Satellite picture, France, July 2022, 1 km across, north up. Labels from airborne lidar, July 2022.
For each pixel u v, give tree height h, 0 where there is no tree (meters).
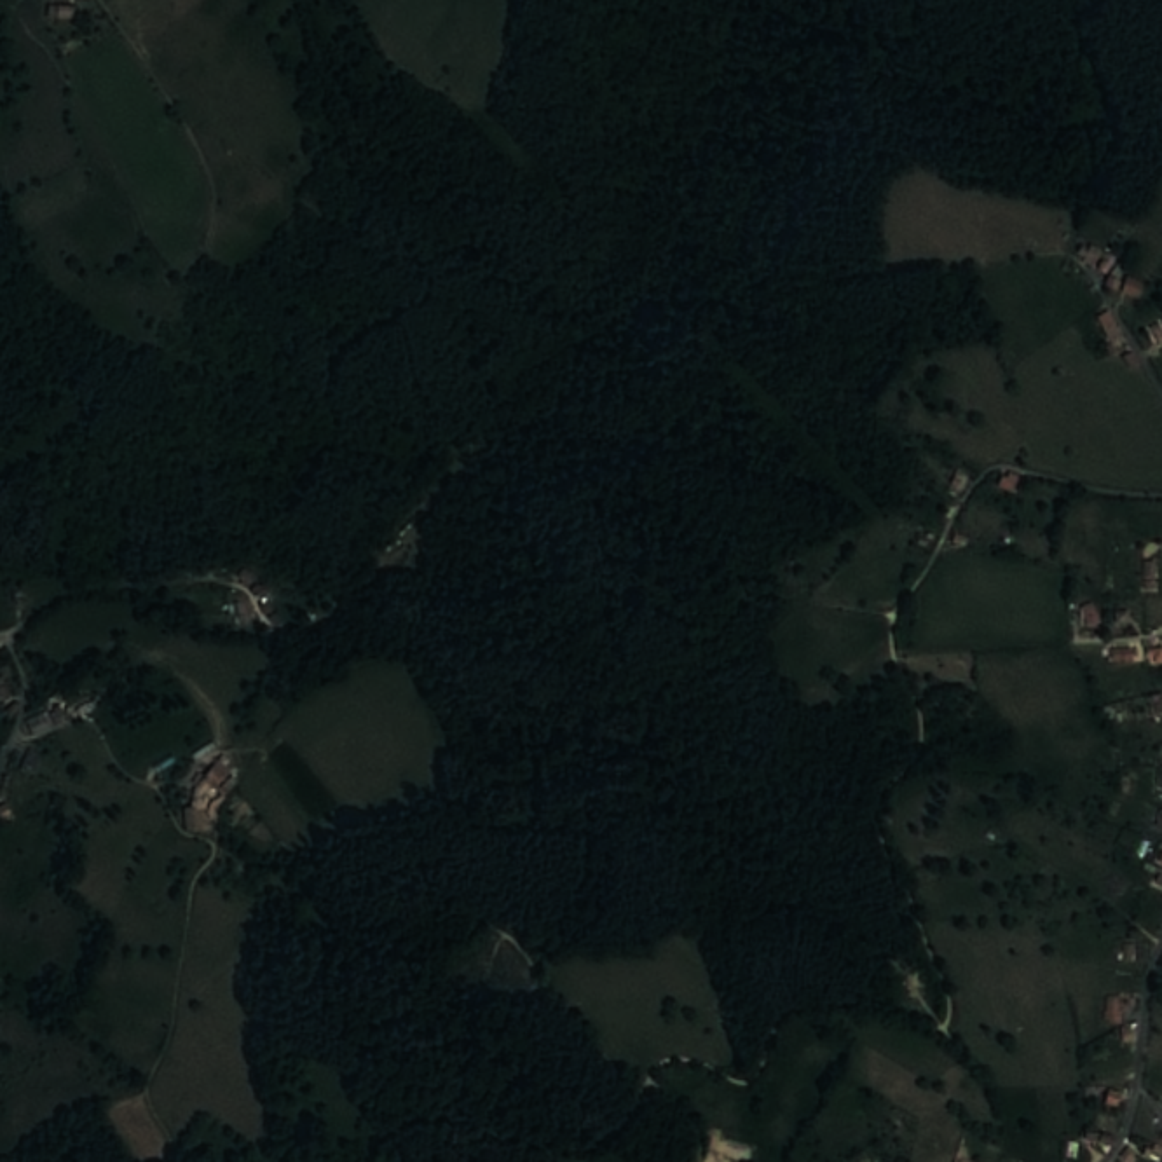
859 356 20
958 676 0
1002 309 0
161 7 0
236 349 9
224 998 0
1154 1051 0
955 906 0
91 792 0
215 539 19
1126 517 0
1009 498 6
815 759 20
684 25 20
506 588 11
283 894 14
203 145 0
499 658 31
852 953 25
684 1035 0
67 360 15
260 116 0
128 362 14
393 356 28
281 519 14
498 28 0
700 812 29
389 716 0
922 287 22
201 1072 0
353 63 8
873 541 0
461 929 17
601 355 25
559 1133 26
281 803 0
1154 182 28
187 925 0
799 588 0
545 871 27
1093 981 0
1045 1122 0
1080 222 19
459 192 11
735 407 22
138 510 19
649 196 27
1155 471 0
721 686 26
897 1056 0
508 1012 26
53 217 0
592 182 23
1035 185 20
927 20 19
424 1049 24
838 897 24
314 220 11
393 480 31
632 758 32
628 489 9
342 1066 31
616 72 18
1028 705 0
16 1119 0
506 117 23
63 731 0
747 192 14
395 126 16
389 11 0
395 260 24
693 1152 8
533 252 30
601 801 29
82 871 11
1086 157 15
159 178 0
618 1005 0
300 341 24
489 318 20
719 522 18
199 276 14
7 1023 0
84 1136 20
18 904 0
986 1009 0
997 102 19
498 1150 26
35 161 0
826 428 17
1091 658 0
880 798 9
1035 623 0
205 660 0
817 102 14
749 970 24
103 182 0
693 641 16
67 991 24
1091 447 0
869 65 30
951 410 14
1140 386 0
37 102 0
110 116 0
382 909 18
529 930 27
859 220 34
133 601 22
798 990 24
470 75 0
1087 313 0
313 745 0
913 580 11
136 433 12
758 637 14
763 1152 0
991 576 0
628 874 38
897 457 8
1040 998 0
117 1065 11
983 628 0
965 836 0
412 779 0
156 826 0
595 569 35
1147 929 0
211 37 0
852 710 10
